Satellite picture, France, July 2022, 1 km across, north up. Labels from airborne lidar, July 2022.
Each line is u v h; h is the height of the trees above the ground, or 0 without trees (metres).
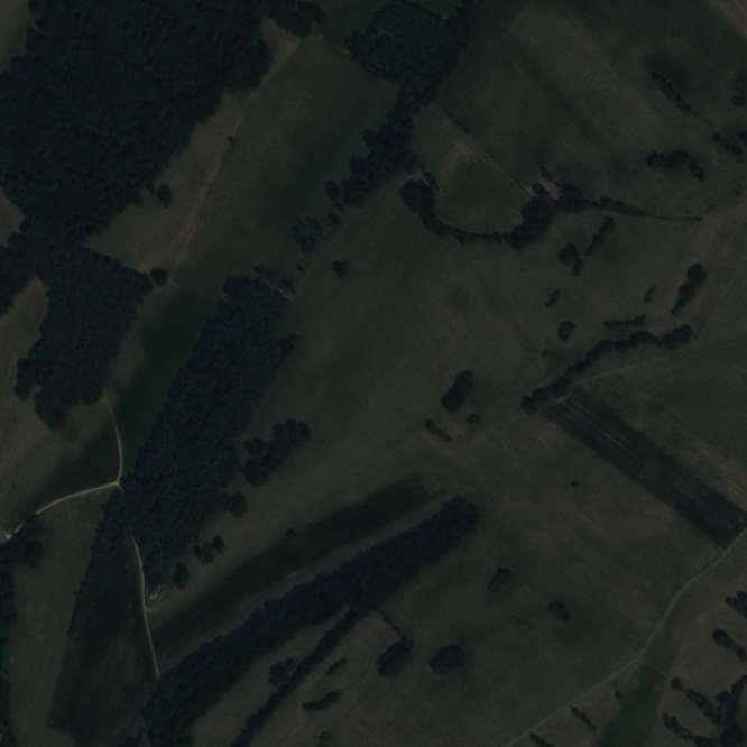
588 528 0
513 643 0
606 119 0
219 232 0
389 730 0
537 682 0
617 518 0
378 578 25
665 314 0
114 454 0
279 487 0
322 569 0
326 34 0
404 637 7
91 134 21
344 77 0
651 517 0
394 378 0
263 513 0
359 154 0
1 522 0
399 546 18
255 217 0
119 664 0
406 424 0
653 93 0
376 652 0
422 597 0
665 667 0
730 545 0
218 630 0
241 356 29
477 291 0
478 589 0
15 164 20
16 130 19
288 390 0
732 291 0
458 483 0
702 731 0
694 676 0
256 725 18
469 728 0
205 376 30
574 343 0
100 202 22
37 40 29
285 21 26
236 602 0
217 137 0
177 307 0
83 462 0
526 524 0
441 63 28
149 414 0
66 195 23
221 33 19
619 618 0
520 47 0
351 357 0
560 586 0
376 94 0
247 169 0
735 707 19
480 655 0
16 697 0
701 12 0
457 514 23
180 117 23
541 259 0
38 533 17
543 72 0
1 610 9
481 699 0
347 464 0
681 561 0
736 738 18
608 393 0
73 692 0
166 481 25
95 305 22
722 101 0
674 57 0
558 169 0
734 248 0
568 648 0
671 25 0
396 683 0
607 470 0
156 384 0
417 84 17
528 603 0
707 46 0
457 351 0
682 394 0
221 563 0
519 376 0
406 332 0
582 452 0
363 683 0
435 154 0
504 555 0
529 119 0
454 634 0
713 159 0
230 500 16
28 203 15
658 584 0
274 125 0
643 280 0
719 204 0
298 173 0
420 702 0
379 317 0
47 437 0
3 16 0
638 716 0
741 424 0
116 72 19
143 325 0
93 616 7
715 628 0
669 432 0
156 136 24
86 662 0
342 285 0
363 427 0
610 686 0
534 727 0
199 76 22
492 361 0
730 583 0
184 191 0
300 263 0
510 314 0
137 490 19
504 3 0
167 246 0
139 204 13
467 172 0
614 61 0
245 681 0
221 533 0
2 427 0
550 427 0
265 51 26
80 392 12
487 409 0
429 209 19
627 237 0
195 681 23
